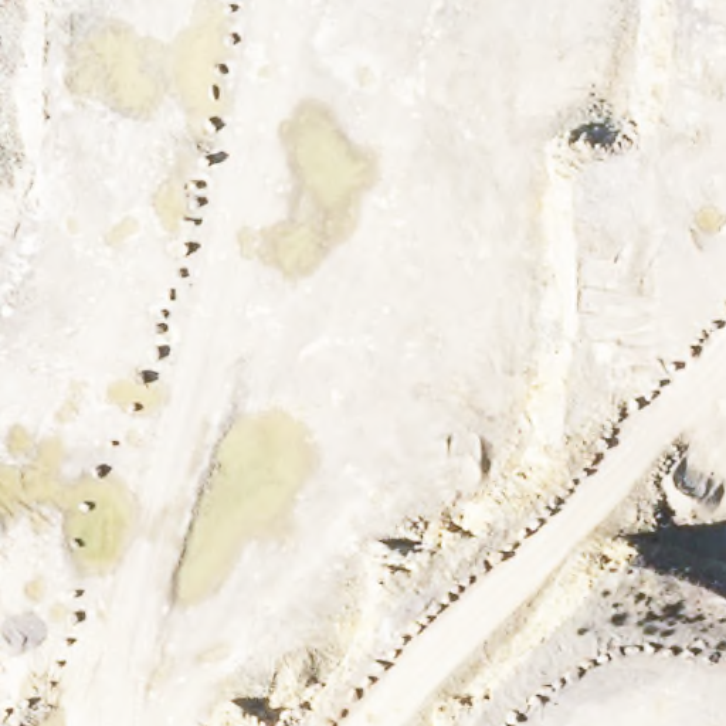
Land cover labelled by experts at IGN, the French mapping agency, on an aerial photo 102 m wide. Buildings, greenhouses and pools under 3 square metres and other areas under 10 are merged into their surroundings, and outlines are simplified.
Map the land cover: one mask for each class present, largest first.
<instances>
[{"label":"pervious surface","instance_id":"1","mask_svg":"<svg viewBox=\"0 0 726 726\"><path fill-rule=\"evenodd\" d=\"M0 726H726V0H0Z\"/></svg>","mask_w":726,"mask_h":726}]
</instances>
